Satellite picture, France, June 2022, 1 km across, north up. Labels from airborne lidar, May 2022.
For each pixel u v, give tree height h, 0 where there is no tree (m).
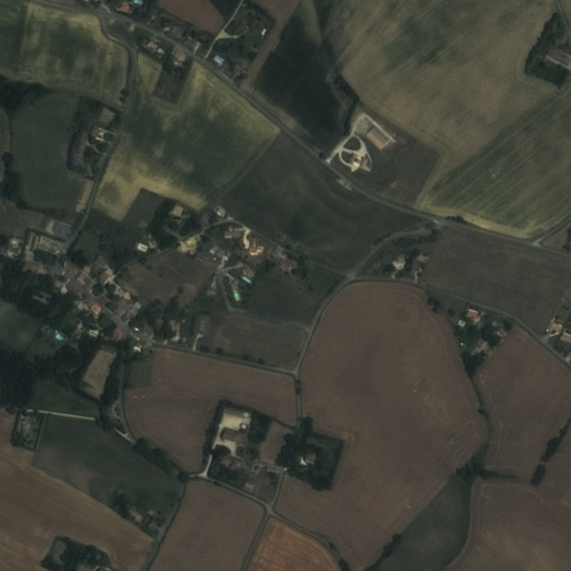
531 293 0
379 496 0
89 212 0
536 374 0
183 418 0
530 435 0
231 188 0
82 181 0
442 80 0
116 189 0
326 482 14
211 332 0
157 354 0
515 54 0
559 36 7
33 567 0
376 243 7
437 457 0
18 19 0
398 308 0
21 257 6
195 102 0
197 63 0
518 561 0
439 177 0
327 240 0
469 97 0
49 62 0
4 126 0
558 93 0
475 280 0
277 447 0
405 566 0
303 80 0
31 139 0
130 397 0
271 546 0
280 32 0
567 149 0
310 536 0
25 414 14
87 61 0
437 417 0
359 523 0
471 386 0
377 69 0
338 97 0
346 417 0
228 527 0
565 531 0
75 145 14
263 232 0
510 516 0
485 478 13
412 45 0
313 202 0
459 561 0
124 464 0
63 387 15
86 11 0
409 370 0
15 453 0
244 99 0
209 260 0
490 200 0
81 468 0
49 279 16
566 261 0
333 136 0
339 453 6
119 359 8
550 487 0
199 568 0
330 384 0
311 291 6
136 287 0
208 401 0
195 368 0
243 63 0
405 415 0
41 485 0
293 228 0
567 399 0
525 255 0
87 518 0
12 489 0
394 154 0
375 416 0
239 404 0
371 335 0
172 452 0
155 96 0
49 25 0
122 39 0
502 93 0
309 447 10
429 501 0
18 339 0
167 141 0
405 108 0
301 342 0
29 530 0
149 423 0
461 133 0
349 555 0
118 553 0
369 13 0
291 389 0
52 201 0
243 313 0
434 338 0
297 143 0
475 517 0
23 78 0
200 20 0
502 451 0
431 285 0
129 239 0
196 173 0
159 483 0
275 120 0
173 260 0
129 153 0
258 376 0
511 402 0
